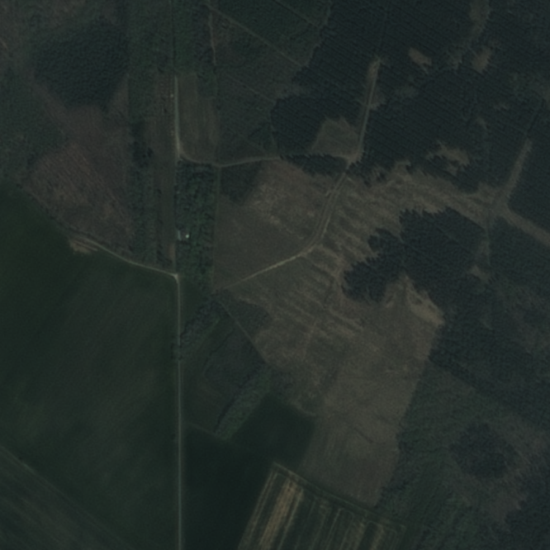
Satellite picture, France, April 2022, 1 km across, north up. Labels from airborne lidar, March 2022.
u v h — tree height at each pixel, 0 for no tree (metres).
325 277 0
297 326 0
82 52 17
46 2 21
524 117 16
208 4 13
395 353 0
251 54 9
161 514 0
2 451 0
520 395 17
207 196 14
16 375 0
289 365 0
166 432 0
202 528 0
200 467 0
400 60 15
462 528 22
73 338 0
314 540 0
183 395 0
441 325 0
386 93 15
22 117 15
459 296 21
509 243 25
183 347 7
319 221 0
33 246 0
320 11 9
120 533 0
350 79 16
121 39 18
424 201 0
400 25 15
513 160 20
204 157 0
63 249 0
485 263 20
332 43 18
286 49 10
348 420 0
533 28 20
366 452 0
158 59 19
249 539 0
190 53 20
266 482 0
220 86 12
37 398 0
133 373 0
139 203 21
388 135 16
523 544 20
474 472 20
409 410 0
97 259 0
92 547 0
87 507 0
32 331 0
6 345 0
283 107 16
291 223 0
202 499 0
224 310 11
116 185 20
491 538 24
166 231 0
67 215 0
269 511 0
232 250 0
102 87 22
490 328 16
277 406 0
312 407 0
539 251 23
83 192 20
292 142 19
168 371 0
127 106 21
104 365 0
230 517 0
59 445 0
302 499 0
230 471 0
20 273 0
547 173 18
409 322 0
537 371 16
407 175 0
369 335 0
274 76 8
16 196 0
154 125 0
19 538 0
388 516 13
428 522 0
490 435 23
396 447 0
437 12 20
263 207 0
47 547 0
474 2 17
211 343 0
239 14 14
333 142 0
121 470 0
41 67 18
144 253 19
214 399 0
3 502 0
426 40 17
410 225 16
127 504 0
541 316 28
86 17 19
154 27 16
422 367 0
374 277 23
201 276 20
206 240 23
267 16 13
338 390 0
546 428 17
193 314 0
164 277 0
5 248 0
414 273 22
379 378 0
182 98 0
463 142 18
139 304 0
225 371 7
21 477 0
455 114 20
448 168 18
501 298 22
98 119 18
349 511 0
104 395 0
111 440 0
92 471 0
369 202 0
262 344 0
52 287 0
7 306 0
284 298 0
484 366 22
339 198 0
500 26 17
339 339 0
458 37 20
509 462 22
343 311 0
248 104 10
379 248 18
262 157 0
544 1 19
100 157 19
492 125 21
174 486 0
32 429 0
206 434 0
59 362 0
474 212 0
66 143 17
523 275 21
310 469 0
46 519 0
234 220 0
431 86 19
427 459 15
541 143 19
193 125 0
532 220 17
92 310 0
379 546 0
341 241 0
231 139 11
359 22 19
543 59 21
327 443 0
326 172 17
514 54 20
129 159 19
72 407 0
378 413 0
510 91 18
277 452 0
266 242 0
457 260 23
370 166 16
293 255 0
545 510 21
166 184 0
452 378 15
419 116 20
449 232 24
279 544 0
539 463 20
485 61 0
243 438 0
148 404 0
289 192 0
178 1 17
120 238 0
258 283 0
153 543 0
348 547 0
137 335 0
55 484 0
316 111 14
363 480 0
